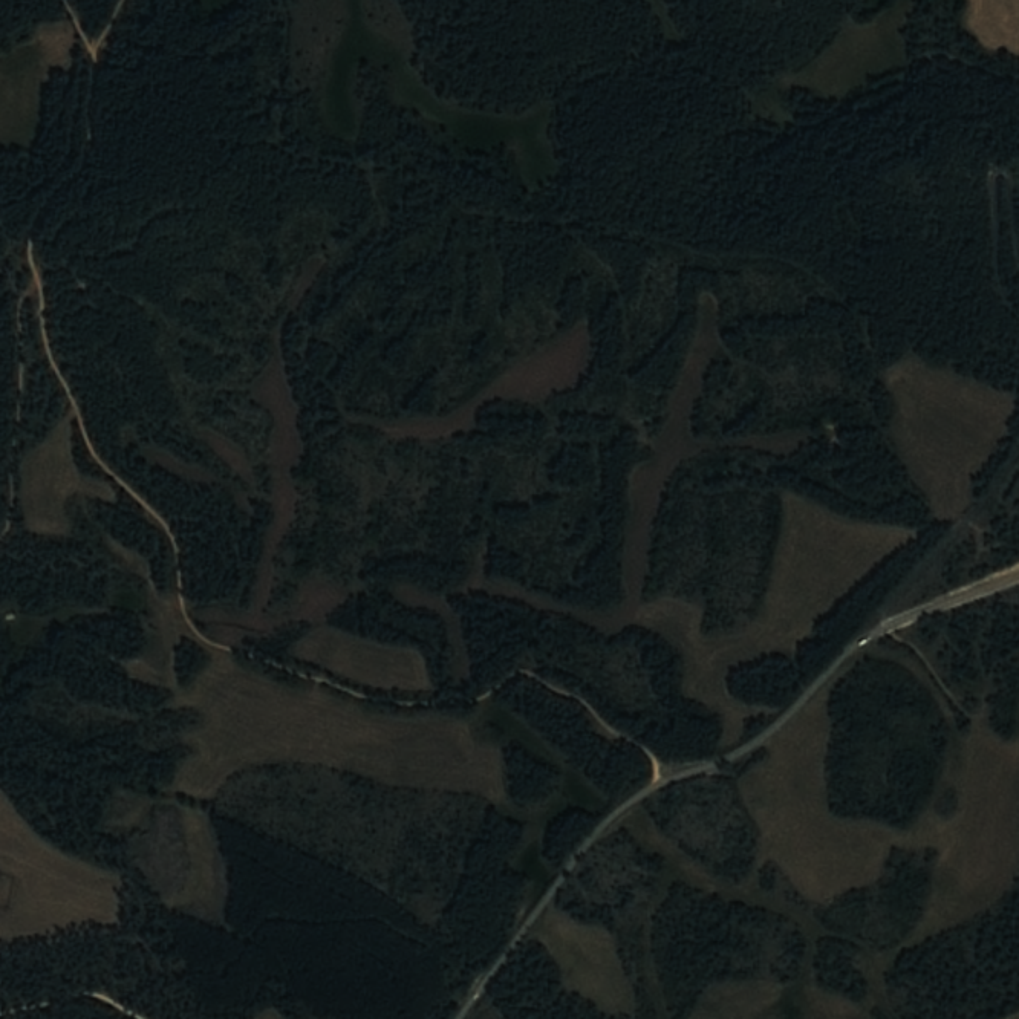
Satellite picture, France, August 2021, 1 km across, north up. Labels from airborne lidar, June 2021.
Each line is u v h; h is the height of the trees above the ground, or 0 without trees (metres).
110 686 13
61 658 10
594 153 9
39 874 0
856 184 13
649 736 11
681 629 0
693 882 0
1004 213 7
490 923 12
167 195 12
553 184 12
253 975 14
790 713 0
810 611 0
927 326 10
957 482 0
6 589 13
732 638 0
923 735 0
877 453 6
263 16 14
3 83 0
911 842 0
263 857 12
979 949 7
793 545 0
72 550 9
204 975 14
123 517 13
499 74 16
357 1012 11
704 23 16
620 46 19
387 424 0
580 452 11
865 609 12
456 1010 15
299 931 10
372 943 12
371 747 0
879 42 0
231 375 10
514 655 12
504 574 14
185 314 12
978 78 14
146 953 18
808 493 12
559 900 7
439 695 9
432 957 11
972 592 0
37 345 7
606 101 9
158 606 0
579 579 10
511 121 0
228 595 13
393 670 0
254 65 11
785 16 10
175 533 9
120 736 6
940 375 0
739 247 13
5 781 13
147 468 12
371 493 0
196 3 15
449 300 12
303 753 0
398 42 0
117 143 13
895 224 10
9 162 13
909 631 0
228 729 0
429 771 0
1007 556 7
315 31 6
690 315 14
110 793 15
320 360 13
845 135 17
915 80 13
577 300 14
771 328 13
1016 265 17
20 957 15
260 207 17
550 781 9
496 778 0
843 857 0
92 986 14
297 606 0
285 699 0
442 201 11
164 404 13
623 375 10
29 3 13
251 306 10
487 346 16
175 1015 13
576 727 12
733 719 0
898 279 12
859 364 11
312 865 11
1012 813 0
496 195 13
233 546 10
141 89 11
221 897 0
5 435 12
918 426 0
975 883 0
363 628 11
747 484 7
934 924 0
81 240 12
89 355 9
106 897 0
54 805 13
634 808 0
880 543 0
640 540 0
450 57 15
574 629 9
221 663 0
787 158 17
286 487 0
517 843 14
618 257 12
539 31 15
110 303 9
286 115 13
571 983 0
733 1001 0
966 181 10
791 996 0
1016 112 10
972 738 0
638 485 0
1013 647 6
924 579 0
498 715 0
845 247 14
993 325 8
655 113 10
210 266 12
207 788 0
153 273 12
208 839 0
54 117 11
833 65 0
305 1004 11
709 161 10
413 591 0
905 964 8
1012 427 10
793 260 10
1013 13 0
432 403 13
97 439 9
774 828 0
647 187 9
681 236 11
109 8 14
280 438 0
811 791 0
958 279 9
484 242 10
